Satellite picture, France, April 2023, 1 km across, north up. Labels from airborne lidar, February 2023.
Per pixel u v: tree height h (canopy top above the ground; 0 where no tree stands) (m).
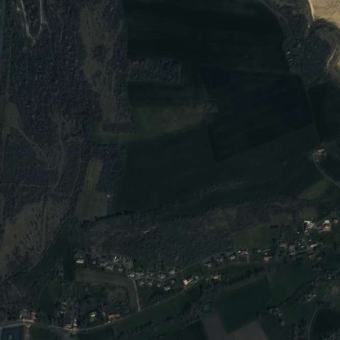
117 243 13
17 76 14
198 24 0
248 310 0
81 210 0
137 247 14
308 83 10
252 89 0
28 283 0
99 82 0
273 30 0
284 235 10
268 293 0
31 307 14
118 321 0
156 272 13
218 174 0
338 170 0
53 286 0
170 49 0
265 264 0
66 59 17
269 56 0
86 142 6
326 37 0
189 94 0
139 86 0
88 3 19
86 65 0
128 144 0
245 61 0
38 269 0
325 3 0
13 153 7
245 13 0
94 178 0
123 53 7
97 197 0
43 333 0
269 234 0
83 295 0
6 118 0
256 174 0
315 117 0
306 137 0
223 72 0
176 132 0
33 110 20
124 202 0
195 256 15
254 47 0
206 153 0
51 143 15
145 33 0
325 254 13
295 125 0
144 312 0
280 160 0
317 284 6
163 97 0
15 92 14
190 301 0
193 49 0
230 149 0
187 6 0
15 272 5
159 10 0
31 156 6
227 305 0
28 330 0
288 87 0
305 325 19
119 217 15
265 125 0
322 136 0
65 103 15
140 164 0
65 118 7
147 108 0
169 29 0
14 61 7
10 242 0
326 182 0
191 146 0
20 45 9
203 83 0
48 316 0
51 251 0
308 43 6
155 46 0
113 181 7
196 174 0
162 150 0
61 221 9
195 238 6
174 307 0
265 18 0
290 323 0
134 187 0
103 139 0
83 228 14
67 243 0
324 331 0
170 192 0
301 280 0
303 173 0
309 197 0
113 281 0
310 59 6
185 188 0
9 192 6
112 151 16
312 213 0
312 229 0
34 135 8
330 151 0
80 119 18
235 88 0
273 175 0
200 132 0
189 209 0
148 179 0
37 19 17
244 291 0
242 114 0
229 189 0
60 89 20
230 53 0
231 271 0
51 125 15
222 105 0
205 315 0
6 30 16
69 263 0
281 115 0
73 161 7
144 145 0
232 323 0
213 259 10
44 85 10
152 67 7
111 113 0
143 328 16
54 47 19
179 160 0
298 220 10
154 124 0
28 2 17
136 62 10
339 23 0
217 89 0
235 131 0
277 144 0
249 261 0
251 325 0
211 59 0
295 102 0
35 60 25
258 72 0
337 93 0
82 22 0
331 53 0
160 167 0
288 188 0
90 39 0
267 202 10
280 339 0
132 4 0
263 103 0
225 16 0
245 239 0
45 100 15
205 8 0
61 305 16
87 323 20
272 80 0
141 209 0
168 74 15
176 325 0
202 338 0
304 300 12
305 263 0
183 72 0
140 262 6
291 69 11
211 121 0
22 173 8
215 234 10
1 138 6
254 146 0
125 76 6
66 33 17
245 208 10
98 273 0
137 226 14
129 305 15
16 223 0
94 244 7
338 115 0
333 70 0
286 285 0
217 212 7
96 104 14
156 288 0
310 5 0
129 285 0
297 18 7
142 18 0
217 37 0
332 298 0
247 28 0
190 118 0
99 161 0
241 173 0
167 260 0
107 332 0
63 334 0
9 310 15
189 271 0
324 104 0
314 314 0
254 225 7
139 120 0
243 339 0
